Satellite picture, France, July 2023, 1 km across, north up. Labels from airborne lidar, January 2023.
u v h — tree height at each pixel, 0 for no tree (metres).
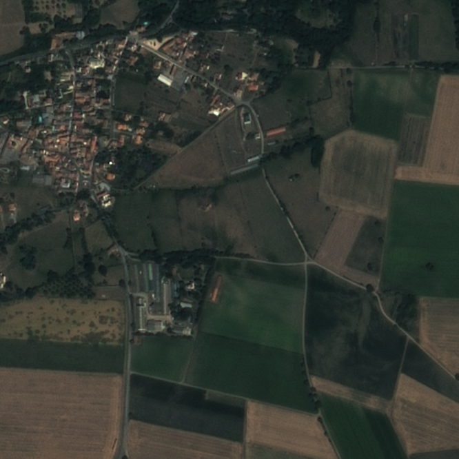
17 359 0
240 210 0
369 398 0
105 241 0
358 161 0
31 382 0
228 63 0
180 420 0
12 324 0
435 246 0
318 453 0
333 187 0
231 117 0
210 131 0
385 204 0
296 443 0
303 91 0
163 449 0
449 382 0
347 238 0
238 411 0
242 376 0
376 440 0
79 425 0
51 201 0
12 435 0
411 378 0
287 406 0
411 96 0
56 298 0
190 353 0
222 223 0
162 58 0
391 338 0
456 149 0
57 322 0
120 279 0
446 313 0
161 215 0
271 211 0
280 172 0
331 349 0
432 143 0
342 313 0
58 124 0
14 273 0
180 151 0
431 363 0
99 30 9
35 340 0
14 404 0
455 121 0
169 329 0
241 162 0
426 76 0
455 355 0
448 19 0
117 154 9
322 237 0
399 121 0
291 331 0
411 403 0
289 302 0
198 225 0
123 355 0
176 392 0
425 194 0
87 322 0
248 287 0
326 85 0
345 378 0
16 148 0
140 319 0
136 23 10
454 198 0
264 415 0
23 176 0
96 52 0
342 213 0
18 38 0
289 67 8
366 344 0
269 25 17
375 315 0
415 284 0
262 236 0
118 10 0
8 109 7
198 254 14
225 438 0
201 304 10
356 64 0
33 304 0
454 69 13
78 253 0
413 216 0
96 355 0
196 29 12
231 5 8
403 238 0
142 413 0
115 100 0
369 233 0
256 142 0
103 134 9
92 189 0
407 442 0
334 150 0
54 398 0
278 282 0
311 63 6
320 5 13
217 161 0
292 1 20
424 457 0
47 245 0
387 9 0
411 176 0
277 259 0
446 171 0
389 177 0
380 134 0
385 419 0
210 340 0
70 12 0
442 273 0
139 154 13
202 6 23
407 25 0
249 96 0
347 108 0
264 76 7
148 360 0
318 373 0
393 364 0
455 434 0
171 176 0
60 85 9
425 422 0
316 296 0
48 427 0
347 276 0
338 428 0
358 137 0
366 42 0
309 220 0
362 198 0
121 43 0
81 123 0
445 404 0
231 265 0
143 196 0
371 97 0
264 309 0
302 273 0
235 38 0
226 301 0
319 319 0
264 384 0
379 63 0
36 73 8
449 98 0
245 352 0
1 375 0
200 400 0
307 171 0
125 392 0
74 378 0
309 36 18
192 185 0
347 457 0
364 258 0
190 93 0
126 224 0
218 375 0
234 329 0
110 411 0
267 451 0
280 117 0
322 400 0
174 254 13
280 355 0
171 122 0
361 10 0
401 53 0
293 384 0
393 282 0
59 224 0
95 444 0
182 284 13
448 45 0
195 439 0
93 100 0
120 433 0
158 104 0
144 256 17
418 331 0
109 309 0
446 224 0
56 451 0
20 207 0
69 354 0
